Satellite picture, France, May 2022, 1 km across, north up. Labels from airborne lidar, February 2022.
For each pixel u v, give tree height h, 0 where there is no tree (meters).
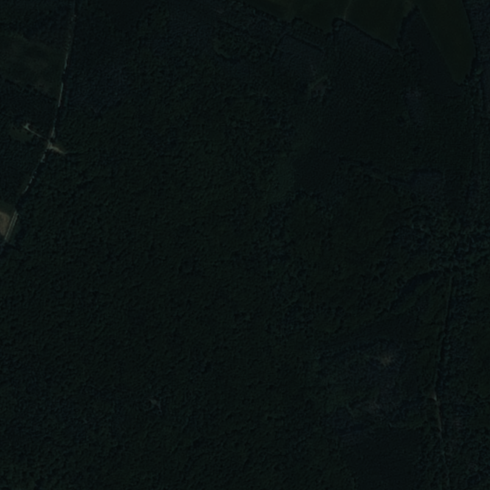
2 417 22
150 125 19
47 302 23
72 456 24
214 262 22
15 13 17
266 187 19
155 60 18
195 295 21
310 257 14
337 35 20
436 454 21
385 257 23
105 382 21
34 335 25
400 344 13
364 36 23
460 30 0
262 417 27
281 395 20
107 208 25
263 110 22
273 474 26
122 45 24
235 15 20
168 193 23
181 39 24
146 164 24
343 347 12
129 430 18
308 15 0
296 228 18
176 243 22
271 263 27
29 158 13
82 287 22
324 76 14
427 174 26
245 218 21
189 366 18
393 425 29
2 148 11
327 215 23
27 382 20
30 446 21
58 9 32
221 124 19
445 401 17
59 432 21
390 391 24
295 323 25
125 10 14
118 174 24
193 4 19
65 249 25
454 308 14
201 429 18
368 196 17
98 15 20
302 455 23
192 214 20
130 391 17
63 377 21
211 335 23
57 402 19
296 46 24
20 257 16
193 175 27
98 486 19
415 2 0
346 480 17
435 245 21
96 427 20
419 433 13
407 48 16
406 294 29
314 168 17
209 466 25
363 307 14
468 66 0
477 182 21
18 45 0
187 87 24
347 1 0
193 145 27
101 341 22
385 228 11
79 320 22
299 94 18
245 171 20
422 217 23
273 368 20
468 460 21
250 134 19
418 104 23
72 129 23
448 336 11
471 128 9
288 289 18
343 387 25
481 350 13
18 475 25
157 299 23
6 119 10
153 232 20
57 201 20
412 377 15
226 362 22
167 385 19
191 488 24
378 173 23
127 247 25
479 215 12
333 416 24
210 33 20
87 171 23
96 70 23
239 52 12
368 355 24
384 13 0
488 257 30
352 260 15
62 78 0
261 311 19
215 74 22
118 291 23
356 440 27
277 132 21
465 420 25
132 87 21
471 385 22
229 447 28
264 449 21
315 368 22
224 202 20
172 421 13
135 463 16
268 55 17
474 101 11
